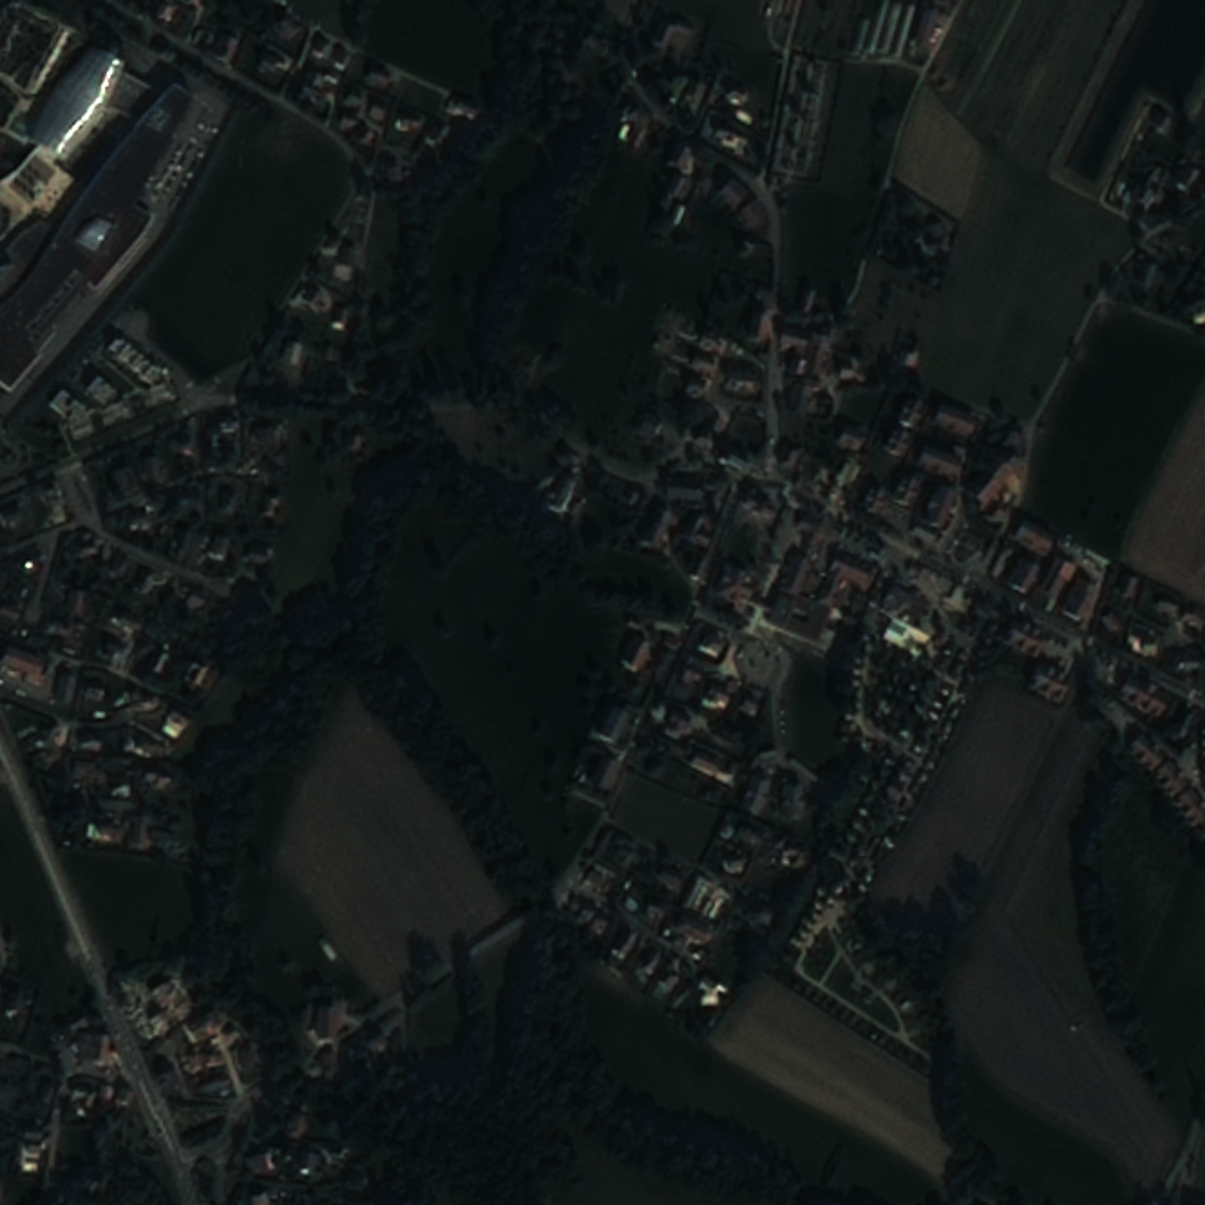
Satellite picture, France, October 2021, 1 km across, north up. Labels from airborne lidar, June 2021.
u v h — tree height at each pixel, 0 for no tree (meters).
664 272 0
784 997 0
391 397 22
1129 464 0
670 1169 22
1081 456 0
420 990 13
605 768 0
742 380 0
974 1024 0
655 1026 0
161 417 0
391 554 20
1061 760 0
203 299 0
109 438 0
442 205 27
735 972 0
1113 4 0
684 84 9
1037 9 0
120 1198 15
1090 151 0
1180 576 0
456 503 28
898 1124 0
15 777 0
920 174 0
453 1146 23
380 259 0
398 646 0
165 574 0
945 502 0
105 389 0
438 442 15
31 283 0
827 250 0
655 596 11
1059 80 0
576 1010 26
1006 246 0
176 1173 0
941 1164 0
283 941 0
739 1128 0
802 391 0
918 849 0
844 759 0
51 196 0
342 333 0
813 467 0
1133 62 0
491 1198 24
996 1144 0
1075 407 0
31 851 0
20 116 0
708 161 15
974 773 0
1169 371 0
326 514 0
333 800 0
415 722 32
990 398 0
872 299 0
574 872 0
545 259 20
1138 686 0
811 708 0
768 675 0
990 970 0
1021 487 0
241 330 0
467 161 18
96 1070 0
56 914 0
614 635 0
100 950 0
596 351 0
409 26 0
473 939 0
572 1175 9
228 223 0
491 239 0
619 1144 20
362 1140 24
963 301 0
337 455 13
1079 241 0
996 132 0
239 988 16
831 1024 0
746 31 0
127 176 0
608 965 10
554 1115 25
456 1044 0
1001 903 0
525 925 0
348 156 0
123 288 0
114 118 0
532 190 0
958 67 0
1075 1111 0
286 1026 13
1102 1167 0
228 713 0
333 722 0
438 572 13
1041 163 0
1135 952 0
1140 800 0
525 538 23
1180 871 0
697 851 0
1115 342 0
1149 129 0
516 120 25
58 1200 12
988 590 0
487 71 0
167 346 0
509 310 19
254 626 22
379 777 0
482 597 0
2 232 0
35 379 0
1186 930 0
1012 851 0
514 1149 23
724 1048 0
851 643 13
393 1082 20
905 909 0
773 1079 0
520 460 0
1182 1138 0
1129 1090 0
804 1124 0
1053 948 0
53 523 0
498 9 23
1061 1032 0
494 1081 24
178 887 0
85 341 0
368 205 0
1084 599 0
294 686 27
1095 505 6
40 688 0
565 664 0
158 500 12
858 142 0
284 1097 16
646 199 0
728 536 0
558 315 0
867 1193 0
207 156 0
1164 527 0
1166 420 0
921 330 0
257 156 0
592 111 0
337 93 0
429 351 0
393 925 0
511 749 0
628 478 0
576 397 0
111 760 14
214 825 22
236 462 9
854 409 0
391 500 26
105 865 0
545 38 14
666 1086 0
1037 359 0
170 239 0
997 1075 0
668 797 0
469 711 0
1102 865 0
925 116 0
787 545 0
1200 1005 0
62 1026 7
